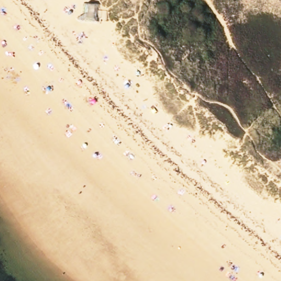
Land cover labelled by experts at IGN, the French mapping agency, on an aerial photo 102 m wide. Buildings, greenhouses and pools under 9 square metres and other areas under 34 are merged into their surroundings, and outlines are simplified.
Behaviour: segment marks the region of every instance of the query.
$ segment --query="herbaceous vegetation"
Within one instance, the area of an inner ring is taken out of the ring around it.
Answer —
[[[246,126],[254,122],[262,112],[273,106],[267,95],[269,92],[281,102],[281,18],[271,13],[259,13],[254,20],[228,27],[236,45],[234,49],[229,47],[222,24],[204,0],[166,0],[169,11],[161,27],[167,32],[167,36],[164,38],[157,37],[156,33],[150,34],[149,41],[164,58],[167,70],[171,70],[193,91],[200,94],[206,99],[233,106],[240,122]]]
[[[198,103],[224,123],[229,134],[238,138],[243,137],[244,131],[239,128],[231,112],[217,104],[201,100]]]
[[[281,121],[280,126],[272,127],[272,134],[261,131],[256,133],[258,143],[252,142],[252,148],[259,149],[272,161],[281,159]]]

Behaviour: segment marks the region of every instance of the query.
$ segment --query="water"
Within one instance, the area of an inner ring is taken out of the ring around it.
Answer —
[[[35,281],[34,278],[29,278],[26,269],[19,265],[18,261],[11,257],[7,245],[0,237],[0,281]]]

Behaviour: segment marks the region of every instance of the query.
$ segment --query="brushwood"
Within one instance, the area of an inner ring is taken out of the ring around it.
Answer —
[[[150,34],[156,33],[157,37],[164,38],[167,36],[167,32],[161,27],[169,11],[166,0],[159,0],[155,5],[158,8],[157,13],[149,14]]]

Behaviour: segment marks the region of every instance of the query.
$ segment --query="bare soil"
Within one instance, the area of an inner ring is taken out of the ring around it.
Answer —
[[[249,154],[248,150],[240,149],[238,138],[229,134],[224,123],[198,103],[196,100],[200,94],[193,91],[171,70],[167,70],[164,58],[149,41],[150,34],[149,14],[157,13],[158,8],[155,5],[159,0],[98,0],[99,21],[94,21],[78,18],[82,12],[88,12],[89,4],[86,1],[90,0],[0,0],[0,237],[7,245],[11,257],[18,261],[19,265],[26,269],[29,278],[34,278],[35,281],[281,281],[281,188],[268,180],[266,175],[261,175],[256,168],[260,166],[260,162]]]
[[[256,133],[261,131],[272,134],[272,127],[280,126],[281,121],[281,102],[269,92],[267,95],[273,106],[262,112],[254,122],[257,125]]]
[[[245,9],[241,0],[214,0],[215,8],[224,16],[228,27],[254,20],[259,13]]]

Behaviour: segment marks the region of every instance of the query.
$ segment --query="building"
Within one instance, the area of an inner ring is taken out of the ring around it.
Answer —
[[[99,21],[98,0],[90,0],[86,1],[89,4],[88,12],[82,12],[78,18],[94,21]]]

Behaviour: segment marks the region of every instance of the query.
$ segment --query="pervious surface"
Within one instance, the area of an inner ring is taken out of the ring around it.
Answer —
[[[222,24],[229,47],[234,49],[236,45],[228,27],[224,16],[215,8],[214,0],[204,0]]]
[[[281,18],[281,0],[241,0],[245,9],[259,13],[271,13]]]
[[[240,122],[233,106],[206,99],[200,94],[196,100],[198,103],[201,100],[217,104],[231,112],[239,128],[244,131],[243,137],[238,138],[240,149],[248,150],[249,154],[260,162],[260,166],[256,168],[261,175],[266,175],[268,180],[281,188],[281,159],[272,161],[259,149],[252,148],[252,142],[258,143],[256,133],[257,125],[254,122],[246,126]]]

